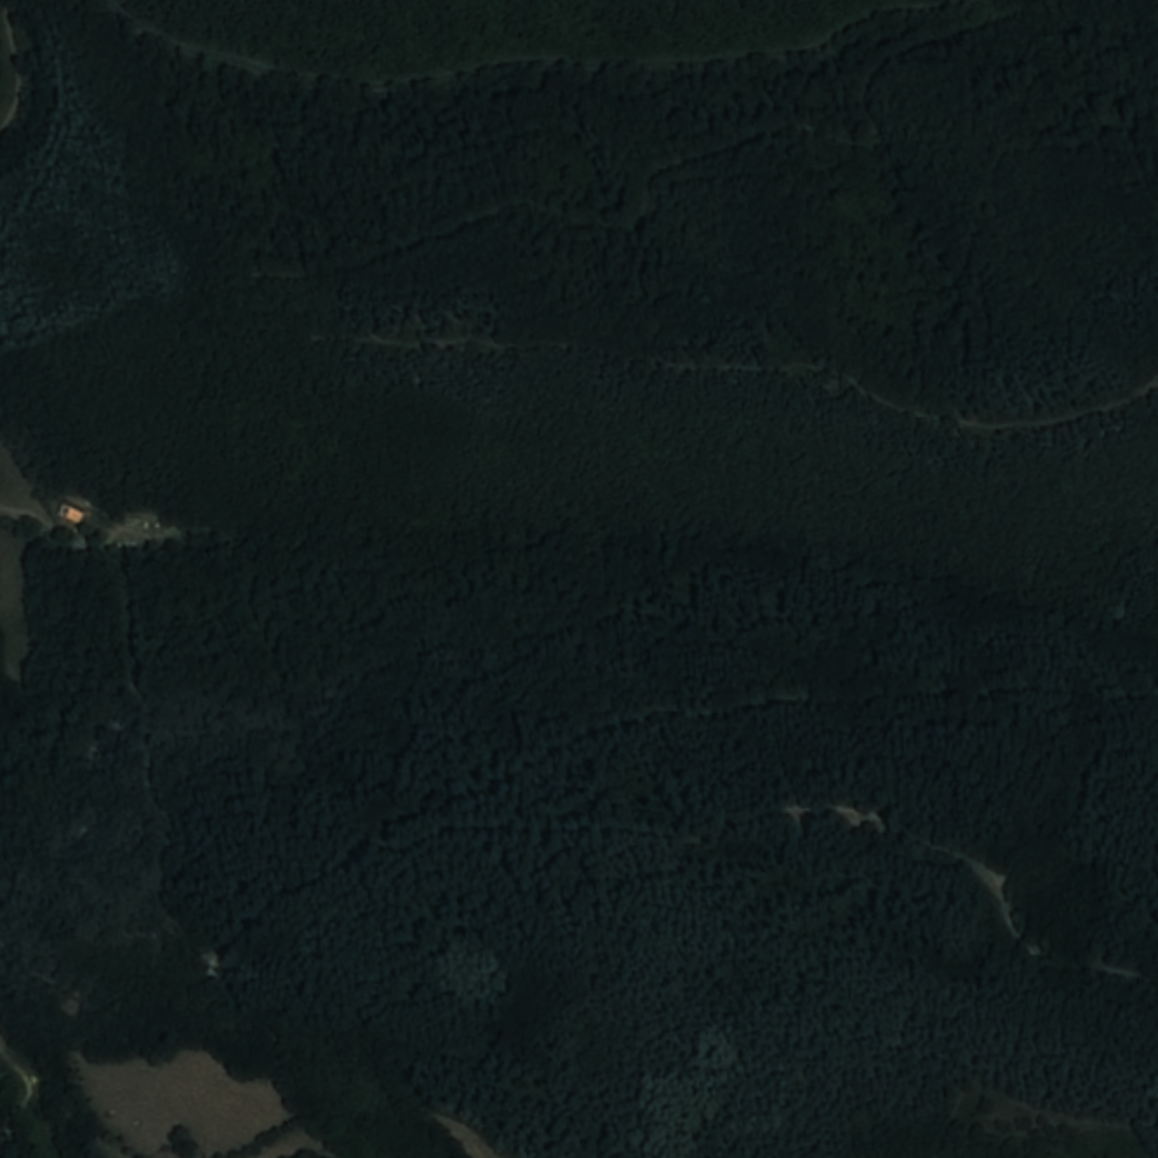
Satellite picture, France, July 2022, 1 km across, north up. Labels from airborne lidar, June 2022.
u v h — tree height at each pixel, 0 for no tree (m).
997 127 17
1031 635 25
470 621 19
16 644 0
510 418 11
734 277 13
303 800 36
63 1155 14
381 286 16
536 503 10
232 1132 0
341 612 20
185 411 14
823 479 13
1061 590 15
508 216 10
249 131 10
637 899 26
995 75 8
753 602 26
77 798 6
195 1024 14
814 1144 15
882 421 14
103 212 12
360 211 10
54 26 13
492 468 12
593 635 22
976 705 24
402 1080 16
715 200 16
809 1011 22
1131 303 15
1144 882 34
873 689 16
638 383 17
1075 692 15
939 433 13
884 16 17
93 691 20
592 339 11
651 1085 23
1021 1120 8
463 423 10
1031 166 13
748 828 27
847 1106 15
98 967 6
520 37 15
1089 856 37
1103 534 9
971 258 20
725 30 10
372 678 12
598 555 19
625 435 10
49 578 19
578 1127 27
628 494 10
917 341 12
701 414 15
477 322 7
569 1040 21
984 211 18
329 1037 15
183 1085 0
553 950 34
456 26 17
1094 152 22
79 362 11
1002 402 22
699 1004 13
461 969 23
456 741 7
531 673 22
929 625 27
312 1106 14
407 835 38
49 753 6
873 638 20
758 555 31
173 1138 10
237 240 18
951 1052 14
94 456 15
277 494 15
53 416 17
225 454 16
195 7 11
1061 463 13
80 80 11
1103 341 12
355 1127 8
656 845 24
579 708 14
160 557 23
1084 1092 16
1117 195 22
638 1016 11
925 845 14
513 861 40
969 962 11
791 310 19
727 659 25
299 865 29
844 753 22
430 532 15
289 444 10
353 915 34
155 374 14
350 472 8
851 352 18
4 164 18
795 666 20
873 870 27
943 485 10
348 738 9
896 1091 18
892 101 12
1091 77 7
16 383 16
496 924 30
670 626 18
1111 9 20
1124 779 26
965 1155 12
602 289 17
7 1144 20
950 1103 9
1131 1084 12
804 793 26
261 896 30
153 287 8
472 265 19
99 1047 15
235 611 20
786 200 17
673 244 13
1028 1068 15
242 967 14
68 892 7
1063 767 21
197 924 22
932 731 20
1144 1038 27
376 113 18
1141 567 21
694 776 25
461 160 17
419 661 13
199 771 12
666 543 20
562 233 15
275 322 13
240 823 33
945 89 16
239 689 13
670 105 9
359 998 37
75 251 7
